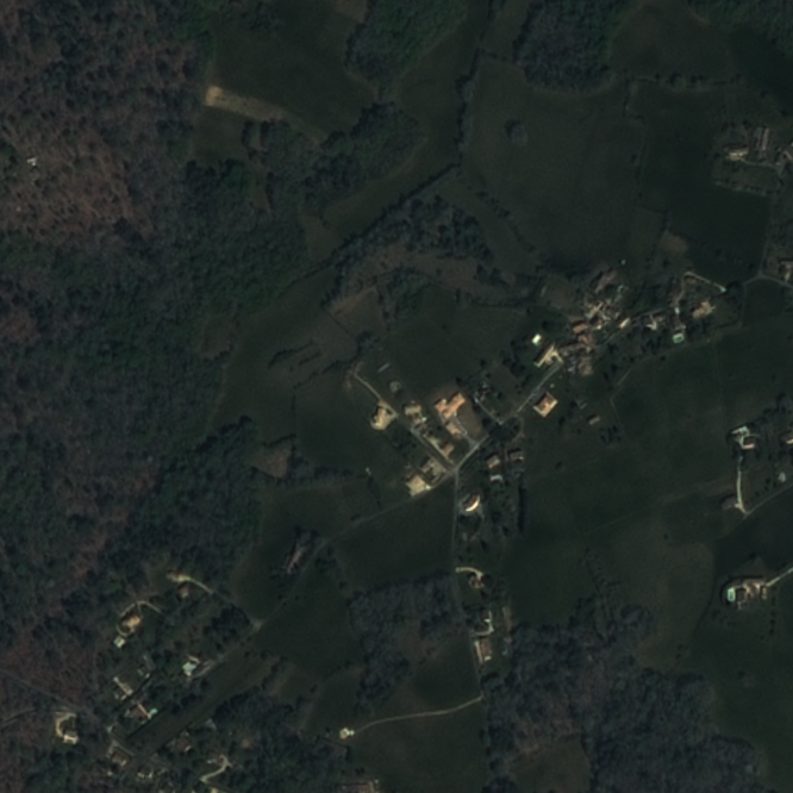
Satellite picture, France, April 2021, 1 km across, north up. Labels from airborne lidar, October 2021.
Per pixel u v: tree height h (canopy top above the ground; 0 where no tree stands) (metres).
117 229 10
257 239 14
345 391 0
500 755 17
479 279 7
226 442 19
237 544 19
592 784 0
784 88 0
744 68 0
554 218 0
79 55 25
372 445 0
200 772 12
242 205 18
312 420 0
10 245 9
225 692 0
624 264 0
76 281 22
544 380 0
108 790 10
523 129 10
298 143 20
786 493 0
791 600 0
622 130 0
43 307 11
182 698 8
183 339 20
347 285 14
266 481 12
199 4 20
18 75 8
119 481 16
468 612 11
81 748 10
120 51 10
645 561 0
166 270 16
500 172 0
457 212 8
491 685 15
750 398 0
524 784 0
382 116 21
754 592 15
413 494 0
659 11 0
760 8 22
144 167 19
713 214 0
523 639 18
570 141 0
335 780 12
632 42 0
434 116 0
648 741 18
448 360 0
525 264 0
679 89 11
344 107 0
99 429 14
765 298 0
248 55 0
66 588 11
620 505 0
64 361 22
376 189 0
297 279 18
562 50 16
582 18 18
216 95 0
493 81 0
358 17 0
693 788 21
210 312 15
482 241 8
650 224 0
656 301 9
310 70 0
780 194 7
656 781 14
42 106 9
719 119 0
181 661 8
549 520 0
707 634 0
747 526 0
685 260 0
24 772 13
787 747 0
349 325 0
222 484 24
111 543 10
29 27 14
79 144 15
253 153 17
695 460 0
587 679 18
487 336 0
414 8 26
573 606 0
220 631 18
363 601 18
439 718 0
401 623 15
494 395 10
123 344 17
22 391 12
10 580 15
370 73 18
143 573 20
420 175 0
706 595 0
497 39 0
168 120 18
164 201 20
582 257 0
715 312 0
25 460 20
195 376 21
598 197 0
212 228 23
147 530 22
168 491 26
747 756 21
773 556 0
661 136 0
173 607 7
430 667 0
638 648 19
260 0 0
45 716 15
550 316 0
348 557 0
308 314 0
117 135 14
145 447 15
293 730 17
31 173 8
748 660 0
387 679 14
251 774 7
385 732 0
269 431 0
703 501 0
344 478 12
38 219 9
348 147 22
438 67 0
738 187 8
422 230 8
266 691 12
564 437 13
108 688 16
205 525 25
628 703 20
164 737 0
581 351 7
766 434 18
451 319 0
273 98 0
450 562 0
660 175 0
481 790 0
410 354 0
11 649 18
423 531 0
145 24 16
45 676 10
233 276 22
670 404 0
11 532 11
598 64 11
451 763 0
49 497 20
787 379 0
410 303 6
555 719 16
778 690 0
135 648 12
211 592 20
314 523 0
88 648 27
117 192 10
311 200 16
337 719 0
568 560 0
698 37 0
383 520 0
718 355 0
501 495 8
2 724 18
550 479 0
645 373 0
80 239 15
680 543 0
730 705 0
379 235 11
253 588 0
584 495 0
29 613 16
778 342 0
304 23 0
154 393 16
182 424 16
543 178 0
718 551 0
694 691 23
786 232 7
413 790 0
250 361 0
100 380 19
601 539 0
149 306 23
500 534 14
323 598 0
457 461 0
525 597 0
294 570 11
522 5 0
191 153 20
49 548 15
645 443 0
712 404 0
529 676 17
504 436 12
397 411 0
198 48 20
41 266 12
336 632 0
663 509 0
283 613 0
